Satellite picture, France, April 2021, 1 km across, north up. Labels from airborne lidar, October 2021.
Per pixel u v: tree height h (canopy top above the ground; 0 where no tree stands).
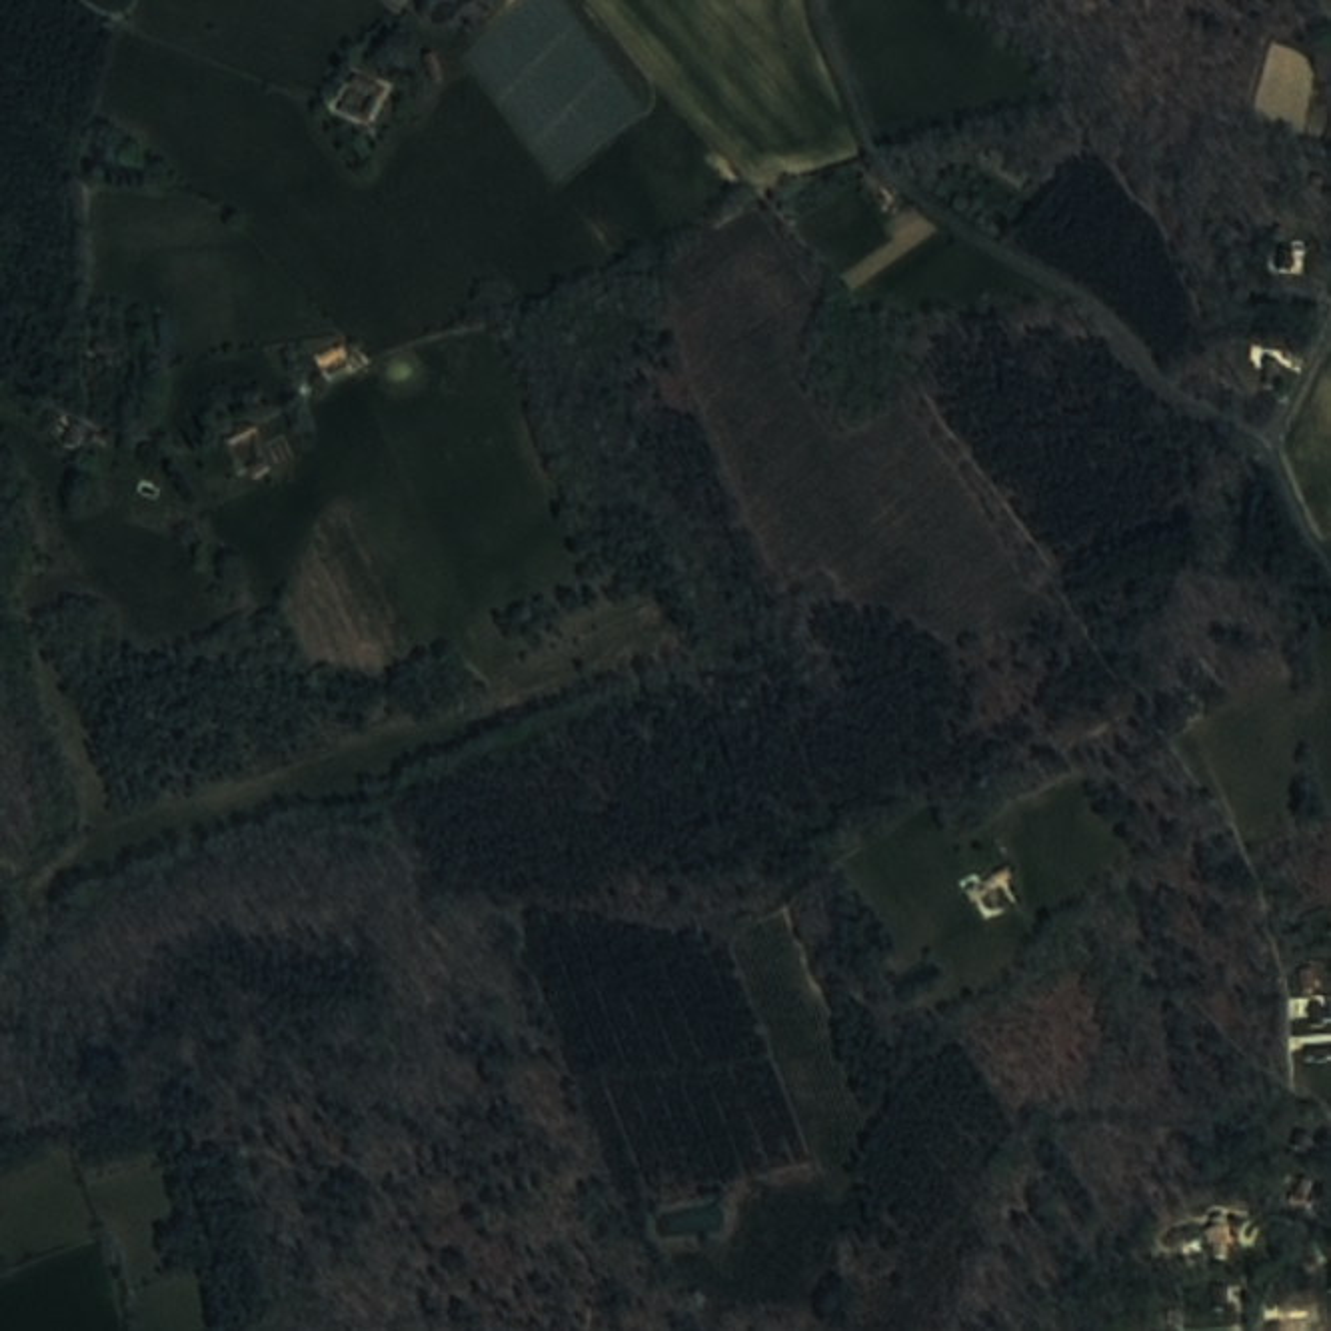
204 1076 15
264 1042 23
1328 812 17
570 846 15
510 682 0
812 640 8
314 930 25
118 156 22
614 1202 16
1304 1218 11
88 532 0
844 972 24
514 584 0
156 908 26
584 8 0
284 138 0
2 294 8
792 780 14
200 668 17
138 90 0
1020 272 0
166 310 0
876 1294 7
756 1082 9
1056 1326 19
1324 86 13
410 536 0
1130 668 20
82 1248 0
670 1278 14
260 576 0
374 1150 15
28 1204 0
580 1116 20
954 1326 17
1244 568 20
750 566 11
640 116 0
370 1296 19
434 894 13
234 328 0
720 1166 12
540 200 0
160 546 0
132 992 24
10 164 11
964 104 0
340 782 0
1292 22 12
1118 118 16
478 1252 8
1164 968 13
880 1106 16
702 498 10
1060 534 12
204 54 0
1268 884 12
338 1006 27
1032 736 12
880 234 0
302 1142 25
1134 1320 18
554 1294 17
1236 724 0
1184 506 7
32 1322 0
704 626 14
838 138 0
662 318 14
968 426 12
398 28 10
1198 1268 12
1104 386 16
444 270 0
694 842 18
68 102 10
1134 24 12
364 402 0
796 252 12
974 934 0
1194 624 17
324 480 0
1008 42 14
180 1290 0
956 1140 20
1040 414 13
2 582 29
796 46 0
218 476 0
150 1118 14
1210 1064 13
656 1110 6
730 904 10
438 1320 23
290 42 0
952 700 14
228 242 0
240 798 0
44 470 0
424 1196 17
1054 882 0
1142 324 10
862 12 0
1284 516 20
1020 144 19
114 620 15
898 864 0
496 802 15
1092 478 15
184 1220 19
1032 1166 16
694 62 0
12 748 22
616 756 16
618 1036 10
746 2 0
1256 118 14
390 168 0
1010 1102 11
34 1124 18
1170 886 12
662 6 0
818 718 10
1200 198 17
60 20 12
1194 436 14
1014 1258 15
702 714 17
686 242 11
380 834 23
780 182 8
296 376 10
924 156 18
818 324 13
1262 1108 13
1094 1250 11
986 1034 7
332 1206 22
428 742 0
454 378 0
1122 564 24
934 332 16
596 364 18
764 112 0
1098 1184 13
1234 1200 19
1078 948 17
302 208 0
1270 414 14
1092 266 10
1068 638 17
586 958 10
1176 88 10
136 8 0
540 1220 19
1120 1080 13
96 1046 16
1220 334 10
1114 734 8
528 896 18
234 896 27
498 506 0
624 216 0
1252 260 19
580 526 21
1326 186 17
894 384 12
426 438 0
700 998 9
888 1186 19
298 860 23
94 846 0
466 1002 24
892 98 0
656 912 8
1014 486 10
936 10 0
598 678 0
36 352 9
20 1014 17
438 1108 19
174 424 0
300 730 22
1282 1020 16
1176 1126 15
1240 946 9
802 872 16
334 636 0
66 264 7
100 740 14
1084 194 11
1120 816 21
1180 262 13
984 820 20
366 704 21
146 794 15
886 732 16
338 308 0
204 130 0
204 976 25
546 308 15
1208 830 17
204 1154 11
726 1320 16
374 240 0
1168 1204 9
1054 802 0
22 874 23
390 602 0
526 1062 15
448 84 0
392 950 32
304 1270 21
